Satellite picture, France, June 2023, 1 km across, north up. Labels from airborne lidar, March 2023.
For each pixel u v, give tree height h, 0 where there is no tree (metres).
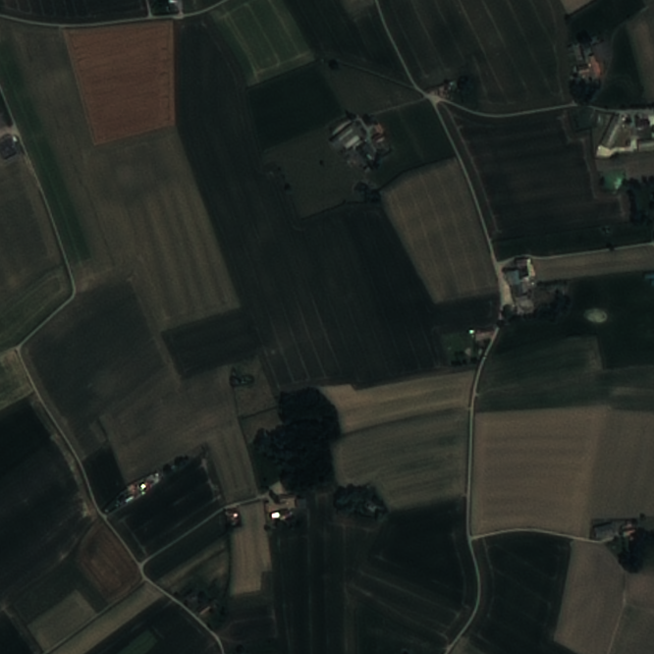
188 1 0
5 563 0
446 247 0
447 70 0
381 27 0
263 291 0
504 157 0
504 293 0
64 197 0
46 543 0
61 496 0
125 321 0
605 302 0
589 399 0
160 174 0
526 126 0
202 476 0
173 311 0
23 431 0
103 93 0
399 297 0
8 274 0
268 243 0
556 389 0
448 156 0
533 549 0
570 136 0
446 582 0
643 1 0
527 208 0
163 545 0
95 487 0
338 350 0
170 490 0
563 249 0
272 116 0
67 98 0
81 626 0
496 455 0
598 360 0
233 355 0
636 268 0
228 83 0
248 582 0
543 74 0
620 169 0
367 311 0
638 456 0
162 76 0
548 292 0
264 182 0
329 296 0
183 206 0
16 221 0
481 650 0
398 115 0
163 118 0
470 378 0
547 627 0
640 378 0
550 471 0
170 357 0
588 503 0
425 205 0
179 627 0
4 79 0
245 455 0
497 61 0
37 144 0
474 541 0
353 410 0
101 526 0
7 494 0
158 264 0
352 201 0
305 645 0
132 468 0
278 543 0
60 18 0
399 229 0
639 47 0
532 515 0
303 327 0
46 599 0
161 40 0
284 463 10
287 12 0
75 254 0
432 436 0
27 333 0
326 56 0
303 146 0
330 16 0
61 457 0
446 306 0
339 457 0
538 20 0
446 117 0
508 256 0
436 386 0
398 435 0
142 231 0
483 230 0
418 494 0
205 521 0
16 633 0
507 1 0
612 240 0
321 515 0
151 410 0
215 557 0
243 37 0
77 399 0
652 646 0
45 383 0
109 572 0
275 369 0
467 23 0
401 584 0
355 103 0
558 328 0
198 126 0
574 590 0
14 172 0
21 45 0
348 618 0
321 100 0
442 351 0
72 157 0
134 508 0
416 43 0
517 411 0
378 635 0
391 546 0
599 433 0
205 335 0
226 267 0
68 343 0
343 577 0
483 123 0
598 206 0
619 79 0
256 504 0
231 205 0
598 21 0
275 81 0
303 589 0
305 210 0
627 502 0
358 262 0
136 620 0
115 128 0
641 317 0
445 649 0
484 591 0
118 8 0
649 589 0
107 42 0
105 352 0
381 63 0
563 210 0
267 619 0
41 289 0
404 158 0
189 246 0
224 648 0
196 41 0
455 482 0
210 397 0
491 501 0
